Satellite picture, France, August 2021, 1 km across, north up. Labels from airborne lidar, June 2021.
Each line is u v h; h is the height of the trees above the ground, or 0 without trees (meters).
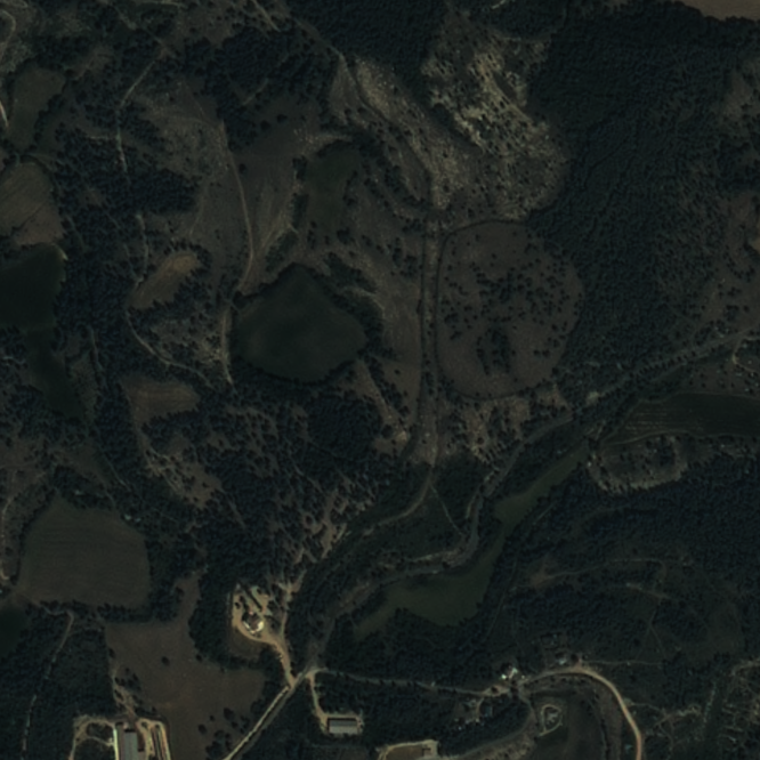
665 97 11
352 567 7
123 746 0
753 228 6
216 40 0
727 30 16
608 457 0
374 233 0
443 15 7
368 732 5
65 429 10
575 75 7
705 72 11
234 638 0
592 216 10
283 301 0
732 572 9
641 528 13
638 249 14
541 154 0
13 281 0
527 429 10
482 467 7
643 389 15
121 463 15
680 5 11
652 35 15
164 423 13
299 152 0
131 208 14
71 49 6
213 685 0
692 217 13
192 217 0
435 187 0
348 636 11
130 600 0
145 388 0
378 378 11
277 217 0
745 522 14
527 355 0
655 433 0
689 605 8
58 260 0
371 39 15
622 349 14
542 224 10
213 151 0
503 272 0
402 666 8
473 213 10
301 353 0
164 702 0
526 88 0
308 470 10
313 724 7
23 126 0
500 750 0
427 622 5
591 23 11
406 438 0
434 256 0
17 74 9
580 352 6
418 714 7
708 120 12
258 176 0
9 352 11
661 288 10
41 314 0
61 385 0
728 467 7
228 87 12
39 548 0
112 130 9
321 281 11
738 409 0
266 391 12
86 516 0
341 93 0
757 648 10
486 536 10
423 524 8
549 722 0
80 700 10
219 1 0
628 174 14
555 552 9
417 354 0
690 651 0
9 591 6
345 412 12
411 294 0
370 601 7
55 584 0
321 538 8
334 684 8
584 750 0
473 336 0
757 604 12
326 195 0
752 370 0
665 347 8
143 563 0
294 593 7
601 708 0
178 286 0
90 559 0
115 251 9
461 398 6
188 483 9
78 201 10
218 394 8
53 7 13
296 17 10
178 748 0
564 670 0
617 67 8
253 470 12
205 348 0
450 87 0
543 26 14
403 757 0
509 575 10
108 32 8
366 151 11
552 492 6
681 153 9
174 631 0
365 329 9
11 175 0
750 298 0
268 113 0
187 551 7
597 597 6
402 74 10
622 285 15
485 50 0
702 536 15
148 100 0
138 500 15
